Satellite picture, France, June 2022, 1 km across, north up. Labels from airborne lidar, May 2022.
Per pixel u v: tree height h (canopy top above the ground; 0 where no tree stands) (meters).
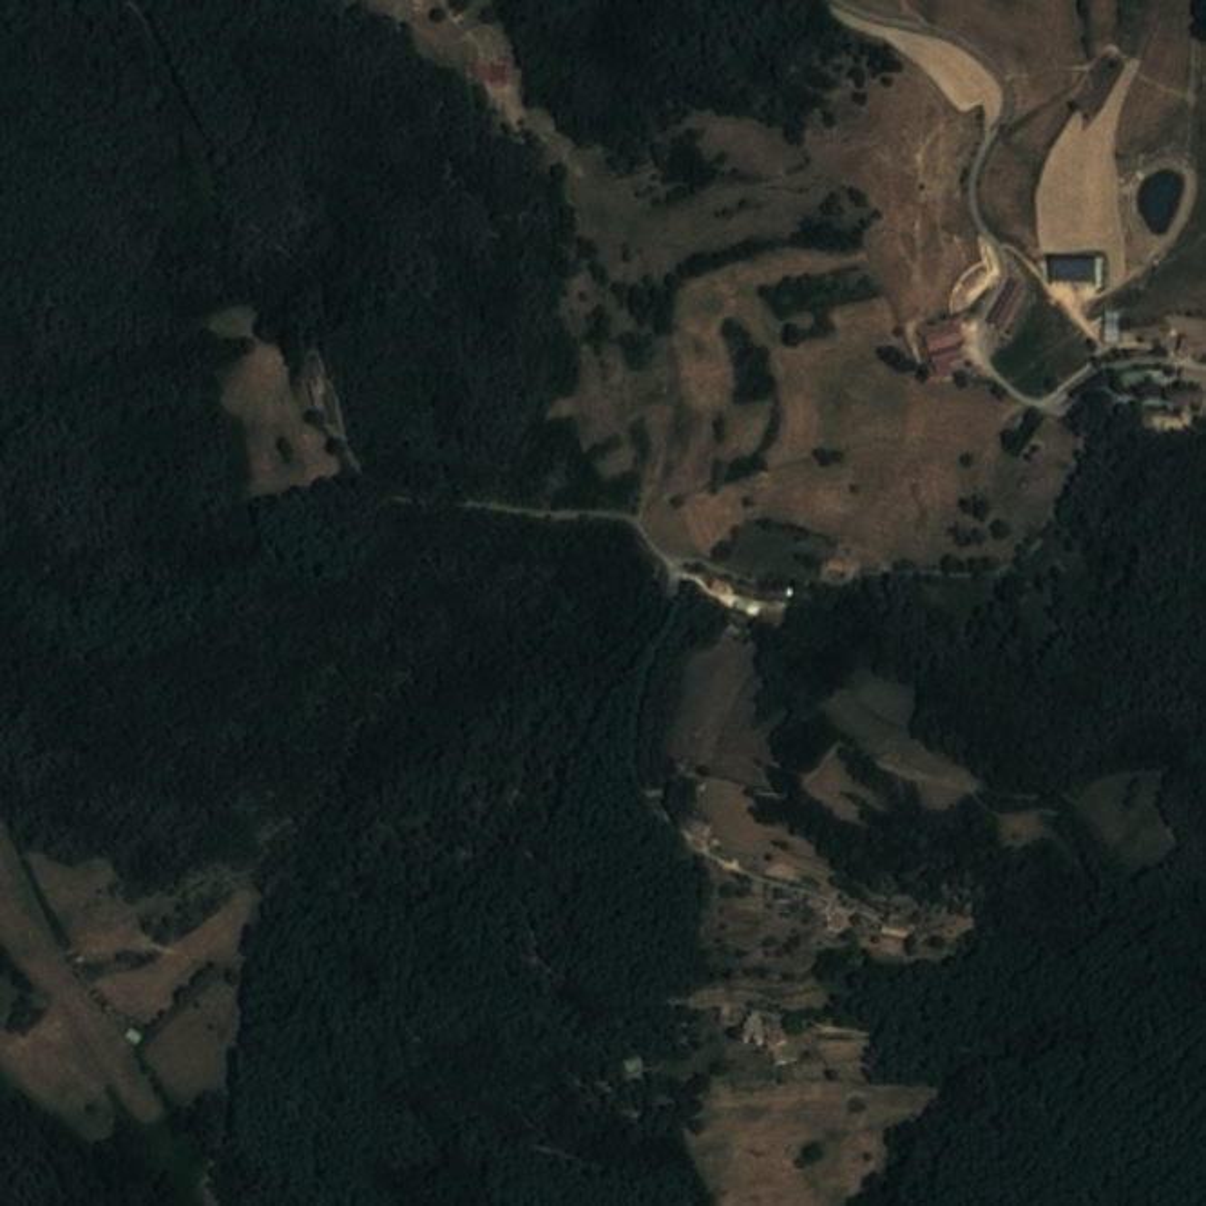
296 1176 26
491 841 13
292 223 14
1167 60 0
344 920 19
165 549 16
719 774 0
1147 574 20
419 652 11
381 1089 15
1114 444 20
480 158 13
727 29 20
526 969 22
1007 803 10
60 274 16
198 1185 0
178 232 16
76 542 19
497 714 16
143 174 11
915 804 6
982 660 20
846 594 6
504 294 10
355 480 13
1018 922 20
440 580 18
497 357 11
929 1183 17
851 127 0
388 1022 22
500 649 15
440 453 9
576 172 0
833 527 0
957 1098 20
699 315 0
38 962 0
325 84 19
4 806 6
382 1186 20
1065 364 0
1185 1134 26
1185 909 18
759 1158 0
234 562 14
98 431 19
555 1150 19
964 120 0
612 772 29
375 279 12
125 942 0
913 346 0
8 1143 9
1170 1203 26
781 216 0
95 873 0
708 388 0
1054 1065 30
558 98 13
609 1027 22
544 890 17
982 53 0
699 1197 16
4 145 21
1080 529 8
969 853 10
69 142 18
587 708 24
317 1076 25
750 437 0
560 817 28
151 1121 0
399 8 0
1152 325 0
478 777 9
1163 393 8
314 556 32
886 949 0
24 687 14
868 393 0
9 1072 0
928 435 0
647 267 0
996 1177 26
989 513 20
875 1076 21
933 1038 22
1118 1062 30
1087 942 16
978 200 0
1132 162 0
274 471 0
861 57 9
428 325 13
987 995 26
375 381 16
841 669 10
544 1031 23
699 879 21
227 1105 24
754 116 9
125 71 17
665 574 0
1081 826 9
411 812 13
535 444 11
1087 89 0
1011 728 18
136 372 22
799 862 0
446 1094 16
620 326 0
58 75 15
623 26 22
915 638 16
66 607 22
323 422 12
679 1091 18
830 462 8
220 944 0
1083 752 19
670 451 0
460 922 24
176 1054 0
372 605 14
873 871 11
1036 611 0
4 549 11
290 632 12
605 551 9
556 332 15
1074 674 17
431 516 13
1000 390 15
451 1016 28
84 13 25
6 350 19
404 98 15
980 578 8
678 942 24
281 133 16
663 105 15
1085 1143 28
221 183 10
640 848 23
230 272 9
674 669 21
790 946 7
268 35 19
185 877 10
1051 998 32
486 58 0
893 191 0
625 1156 17
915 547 0
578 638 19
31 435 22
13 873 0
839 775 0
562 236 12
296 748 16
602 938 27
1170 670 22
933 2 0
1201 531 18
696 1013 7
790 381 0
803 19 13
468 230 20
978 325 0
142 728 15
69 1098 0
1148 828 0
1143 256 0
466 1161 26
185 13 18
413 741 20
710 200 0
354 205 12
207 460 20
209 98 23
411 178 16
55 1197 18
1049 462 0
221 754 17
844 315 0
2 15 18
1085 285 0
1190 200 0
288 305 11
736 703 0
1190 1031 28
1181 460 16
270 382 0
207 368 19
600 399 0
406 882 10
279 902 17
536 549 13
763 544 0
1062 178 0
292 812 8
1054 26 0
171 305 12
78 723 19
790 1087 0
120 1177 19
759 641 8
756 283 0
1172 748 12
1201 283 0
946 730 13
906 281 0
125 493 24
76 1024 0
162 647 26
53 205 19
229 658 16
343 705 15
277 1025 20
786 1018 9
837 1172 0
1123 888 16
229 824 7
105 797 13
